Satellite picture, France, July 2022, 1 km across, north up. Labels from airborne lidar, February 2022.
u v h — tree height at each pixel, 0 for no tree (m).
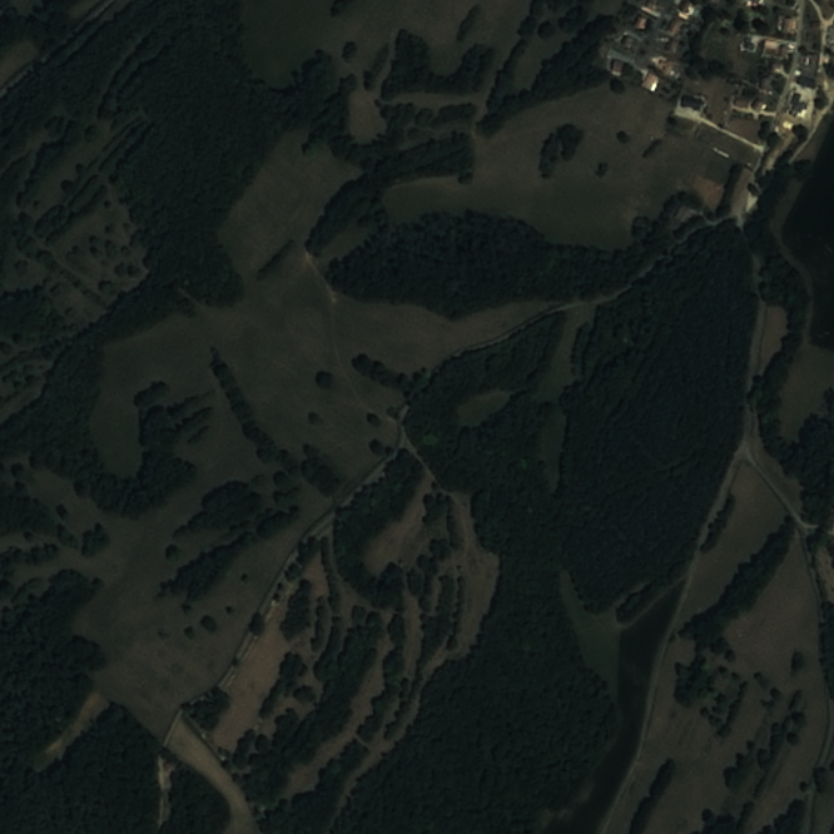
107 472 7
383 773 8
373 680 0
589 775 16
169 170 17
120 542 0
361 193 18
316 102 21
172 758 14
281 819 19
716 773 0
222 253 17
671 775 12
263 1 0
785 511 0
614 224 0
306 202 0
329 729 10
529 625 14
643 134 0
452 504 10
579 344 8
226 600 0
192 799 16
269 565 0
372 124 0
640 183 0
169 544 0
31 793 19
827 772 12
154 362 0
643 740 0
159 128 16
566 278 11
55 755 0
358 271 21
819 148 0
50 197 0
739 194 0
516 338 9
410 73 5
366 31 0
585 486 10
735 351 12
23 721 15
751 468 0
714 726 11
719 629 18
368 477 0
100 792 16
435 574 7
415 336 0
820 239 0
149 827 18
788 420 0
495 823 22
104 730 19
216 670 0
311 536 0
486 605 0
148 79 19
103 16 5
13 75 0
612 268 15
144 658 0
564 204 0
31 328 16
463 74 9
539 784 19
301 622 10
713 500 7
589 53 16
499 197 0
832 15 0
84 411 9
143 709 0
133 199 11
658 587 13
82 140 11
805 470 20
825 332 0
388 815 19
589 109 0
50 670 13
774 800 0
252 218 0
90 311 0
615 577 9
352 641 14
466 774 22
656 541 11
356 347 0
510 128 0
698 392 8
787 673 0
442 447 10
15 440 15
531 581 15
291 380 0
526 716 20
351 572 12
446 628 7
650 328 16
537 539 14
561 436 0
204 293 14
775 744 12
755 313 10
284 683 6
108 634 0
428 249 24
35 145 0
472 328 0
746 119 0
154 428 19
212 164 18
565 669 18
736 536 0
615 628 0
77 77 12
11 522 13
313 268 0
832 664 11
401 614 12
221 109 19
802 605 0
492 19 0
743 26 23
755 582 14
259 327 0
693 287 16
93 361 16
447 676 10
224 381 12
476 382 15
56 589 16
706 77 17
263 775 14
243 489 15
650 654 0
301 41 0
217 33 14
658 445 13
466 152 7
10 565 15
